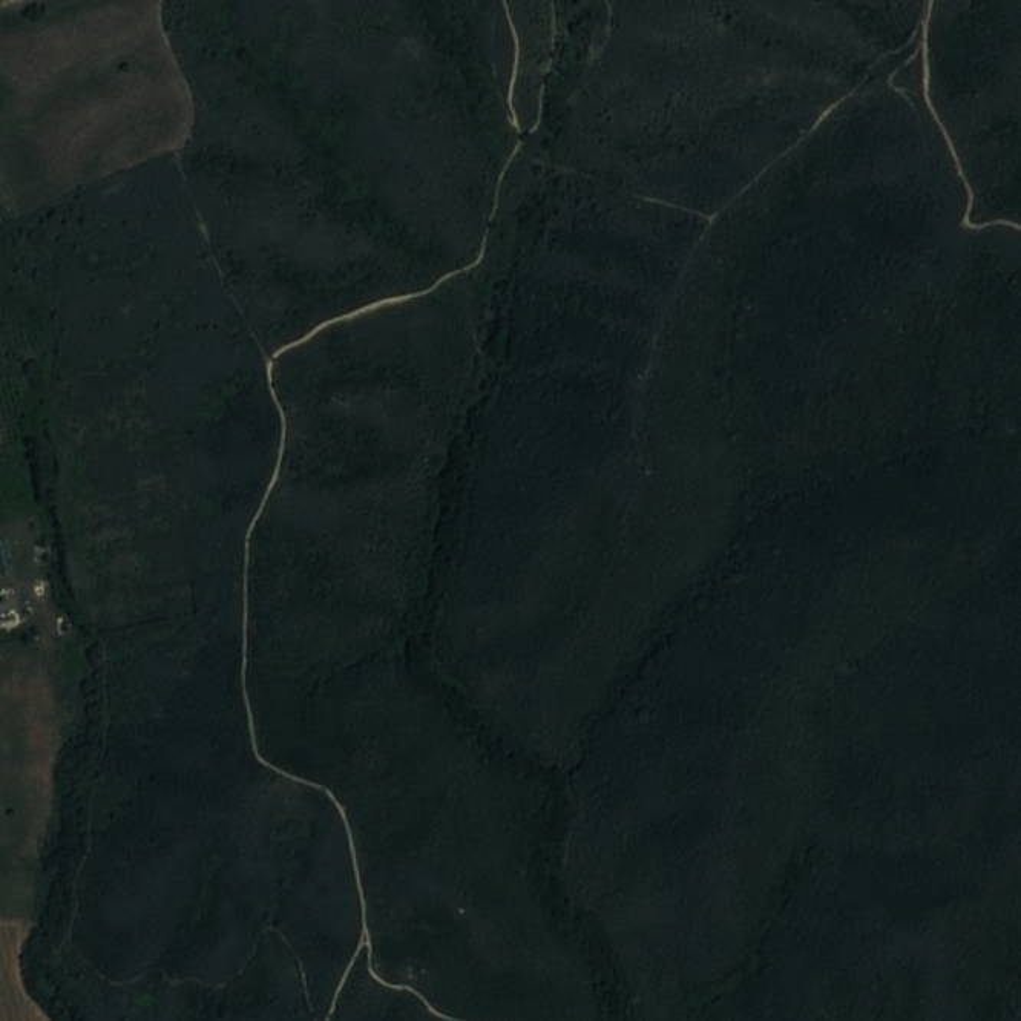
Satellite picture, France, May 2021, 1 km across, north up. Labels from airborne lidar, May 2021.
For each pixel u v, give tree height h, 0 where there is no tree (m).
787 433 6
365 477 6
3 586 0
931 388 7
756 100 8
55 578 7
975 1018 6
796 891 7
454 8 6
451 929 6
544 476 6
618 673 7
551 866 13
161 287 0
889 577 6
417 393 5
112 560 0
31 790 0
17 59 0
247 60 14
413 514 6
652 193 0
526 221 11
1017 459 8
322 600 8
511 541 6
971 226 0
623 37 0
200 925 6
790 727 5
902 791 7
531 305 7
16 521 0
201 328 8
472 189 6
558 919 14
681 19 0
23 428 7
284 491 0
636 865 5
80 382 0
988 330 8
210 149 6
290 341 0
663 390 7
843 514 6
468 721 14
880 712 6
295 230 0
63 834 11
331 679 8
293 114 7
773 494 8
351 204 9
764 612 7
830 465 7
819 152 5
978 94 8
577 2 10
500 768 8
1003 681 7
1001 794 7
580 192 6
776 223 7
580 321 7
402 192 0
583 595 6
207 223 0
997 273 7
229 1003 9
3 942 0
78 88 0
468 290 0
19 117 0
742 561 13
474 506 6
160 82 0
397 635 6
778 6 0
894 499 5
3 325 7
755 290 6
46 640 0
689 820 6
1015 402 6
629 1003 7
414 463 6
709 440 6
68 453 0
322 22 0
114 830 5
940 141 0
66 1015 6
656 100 0
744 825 5
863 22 6
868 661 7
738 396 5
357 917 0
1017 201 6
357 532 6
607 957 11
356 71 0
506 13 0
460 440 15
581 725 7
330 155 10
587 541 7
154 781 8
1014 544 6
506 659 7
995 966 5
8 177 0
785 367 5
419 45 0
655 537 6
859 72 6
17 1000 0
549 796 11
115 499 0
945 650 7
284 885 11
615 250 7
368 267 7
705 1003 5
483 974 6
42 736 0
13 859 0
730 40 0
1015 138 6
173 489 0
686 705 7
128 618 0
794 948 5
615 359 6
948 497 6
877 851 6
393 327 0
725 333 9
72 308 0
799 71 0
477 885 5
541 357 8
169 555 0
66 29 0
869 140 6
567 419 7
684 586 7
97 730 11
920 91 0
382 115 0
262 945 5
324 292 6
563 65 9
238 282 5
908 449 10
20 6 0
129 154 0
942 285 6
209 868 6
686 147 8
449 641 8
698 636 6
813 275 7
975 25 6
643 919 0
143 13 0
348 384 6
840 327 6
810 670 6
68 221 11
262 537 6
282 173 10
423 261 7
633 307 8
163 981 8
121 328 0
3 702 0
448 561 13
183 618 9
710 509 7
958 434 8
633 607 7
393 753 6
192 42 0
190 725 6
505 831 6
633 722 5
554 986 6
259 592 5
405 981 0
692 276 5
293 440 0
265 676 6
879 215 6
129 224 7
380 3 0
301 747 5
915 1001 5
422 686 12
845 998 6
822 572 6
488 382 12
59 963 9
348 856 0
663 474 6
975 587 9
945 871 6
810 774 7
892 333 5
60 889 15
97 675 8
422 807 6
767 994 6
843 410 5
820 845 7
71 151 0
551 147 12
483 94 7
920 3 0
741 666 6
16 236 6
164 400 0
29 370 15
